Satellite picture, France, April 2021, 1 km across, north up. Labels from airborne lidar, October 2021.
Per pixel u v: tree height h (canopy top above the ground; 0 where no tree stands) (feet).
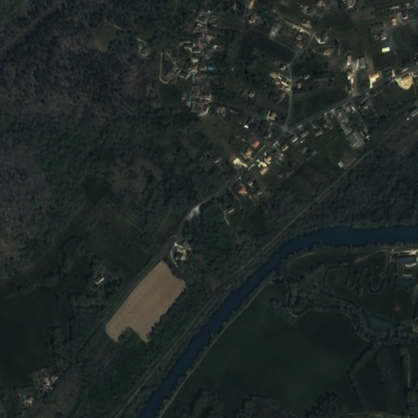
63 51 50
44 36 70
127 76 69
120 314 0
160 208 75
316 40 0
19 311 0
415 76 0
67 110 36
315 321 0
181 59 38
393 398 0
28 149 60
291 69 0
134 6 59
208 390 0
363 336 60
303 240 0
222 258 80
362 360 59
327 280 0
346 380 0
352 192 50
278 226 53
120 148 67
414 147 0
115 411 44
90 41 68
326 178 0
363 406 62
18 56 68
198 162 21
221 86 23
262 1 41
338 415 99
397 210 42
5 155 40
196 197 68
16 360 0
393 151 36
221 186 55
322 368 0
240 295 0
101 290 25
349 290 41
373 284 0
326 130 27
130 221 0
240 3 32
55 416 0
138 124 96
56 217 89
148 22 50
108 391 37
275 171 0
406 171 77
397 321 0
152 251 49
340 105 0
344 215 57
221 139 0
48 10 54
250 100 22
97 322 86
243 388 0
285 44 0
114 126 49
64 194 69
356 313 50
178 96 0
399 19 0
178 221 0
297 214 63
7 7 51
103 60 78
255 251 77
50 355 0
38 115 45
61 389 68
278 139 0
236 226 0
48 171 62
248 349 0
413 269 0
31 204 59
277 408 51
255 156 24
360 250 20
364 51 0
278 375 0
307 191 0
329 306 36
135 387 46
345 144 0
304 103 0
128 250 0
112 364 50
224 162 0
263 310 0
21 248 63
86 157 69
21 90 37
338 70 0
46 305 0
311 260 0
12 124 32
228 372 0
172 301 0
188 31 0
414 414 72
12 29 67
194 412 73
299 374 0
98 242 0
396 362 0
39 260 70
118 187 0
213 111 28
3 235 54
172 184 54
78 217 0
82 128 86
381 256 0
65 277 59
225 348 0
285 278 34
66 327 0
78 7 52
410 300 0
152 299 0
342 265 51
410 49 0
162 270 0
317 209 50
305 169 0
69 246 41
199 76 0
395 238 0
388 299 0
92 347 77
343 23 0
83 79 26
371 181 73
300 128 0
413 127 27
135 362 39
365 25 0
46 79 73
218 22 30
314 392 0
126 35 53
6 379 0
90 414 52
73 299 56
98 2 39
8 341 0
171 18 32
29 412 0
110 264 0
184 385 0
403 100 0
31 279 0
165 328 41
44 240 59
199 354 41
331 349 0
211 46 19
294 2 0
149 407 0
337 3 29
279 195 39
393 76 0
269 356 0
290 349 0
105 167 51
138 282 0
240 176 0
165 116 64
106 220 0
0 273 74
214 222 87
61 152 85
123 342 61
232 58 75
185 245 0
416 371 0
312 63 56
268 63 25
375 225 38
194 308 55
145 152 64
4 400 82
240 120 29
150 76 33
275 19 0
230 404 0
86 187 0
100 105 76
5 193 50
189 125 68
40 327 0
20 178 52
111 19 65
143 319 0
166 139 51
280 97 0
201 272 64
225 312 0
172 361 39
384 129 60
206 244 70
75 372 76
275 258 0
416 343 50
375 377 0
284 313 67
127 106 79
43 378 24
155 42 63
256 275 0
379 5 22
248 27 36
